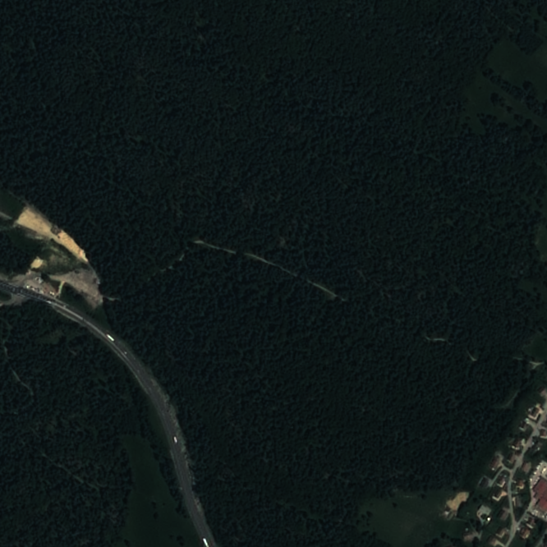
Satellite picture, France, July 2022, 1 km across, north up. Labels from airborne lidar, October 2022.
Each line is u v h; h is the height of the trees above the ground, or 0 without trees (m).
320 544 21
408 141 10
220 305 16
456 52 20
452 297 28
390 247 20
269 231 25
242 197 27
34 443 19
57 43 23
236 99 24
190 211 24
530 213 31
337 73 25
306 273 21
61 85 24
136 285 20
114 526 10
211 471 22
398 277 17
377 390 19
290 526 19
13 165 27
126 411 9
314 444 8
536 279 19
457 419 6
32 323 16
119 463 12
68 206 15
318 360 20
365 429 19
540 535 7
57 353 20
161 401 0
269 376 28
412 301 20
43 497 21
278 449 16
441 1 25
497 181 28
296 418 21
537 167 16
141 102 20
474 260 17
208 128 21
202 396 25
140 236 21
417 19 23
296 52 24
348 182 22
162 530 0
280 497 22
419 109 29
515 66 0
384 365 20
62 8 18
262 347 20
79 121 24
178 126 24
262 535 17
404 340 20
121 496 9
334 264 26
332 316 12
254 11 20
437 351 17
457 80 14
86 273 0
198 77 29
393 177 28
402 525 0
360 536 23
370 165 31
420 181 20
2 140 26
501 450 0
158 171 25
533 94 13
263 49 32
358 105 28
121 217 29
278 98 21
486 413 11
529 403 0
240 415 25
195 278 13
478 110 0
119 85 26
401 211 19
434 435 18
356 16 20
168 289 8
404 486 19
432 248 16
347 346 17
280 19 25
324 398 16
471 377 15
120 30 19
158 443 6
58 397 15
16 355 16
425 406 17
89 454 17
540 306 12
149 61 19
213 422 26
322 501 20
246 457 24
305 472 20
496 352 16
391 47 18
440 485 20
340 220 30
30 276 0
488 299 19
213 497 24
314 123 28
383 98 23
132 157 24
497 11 17
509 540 0
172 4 25
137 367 0
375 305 24
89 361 10
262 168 21
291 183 22
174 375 29
